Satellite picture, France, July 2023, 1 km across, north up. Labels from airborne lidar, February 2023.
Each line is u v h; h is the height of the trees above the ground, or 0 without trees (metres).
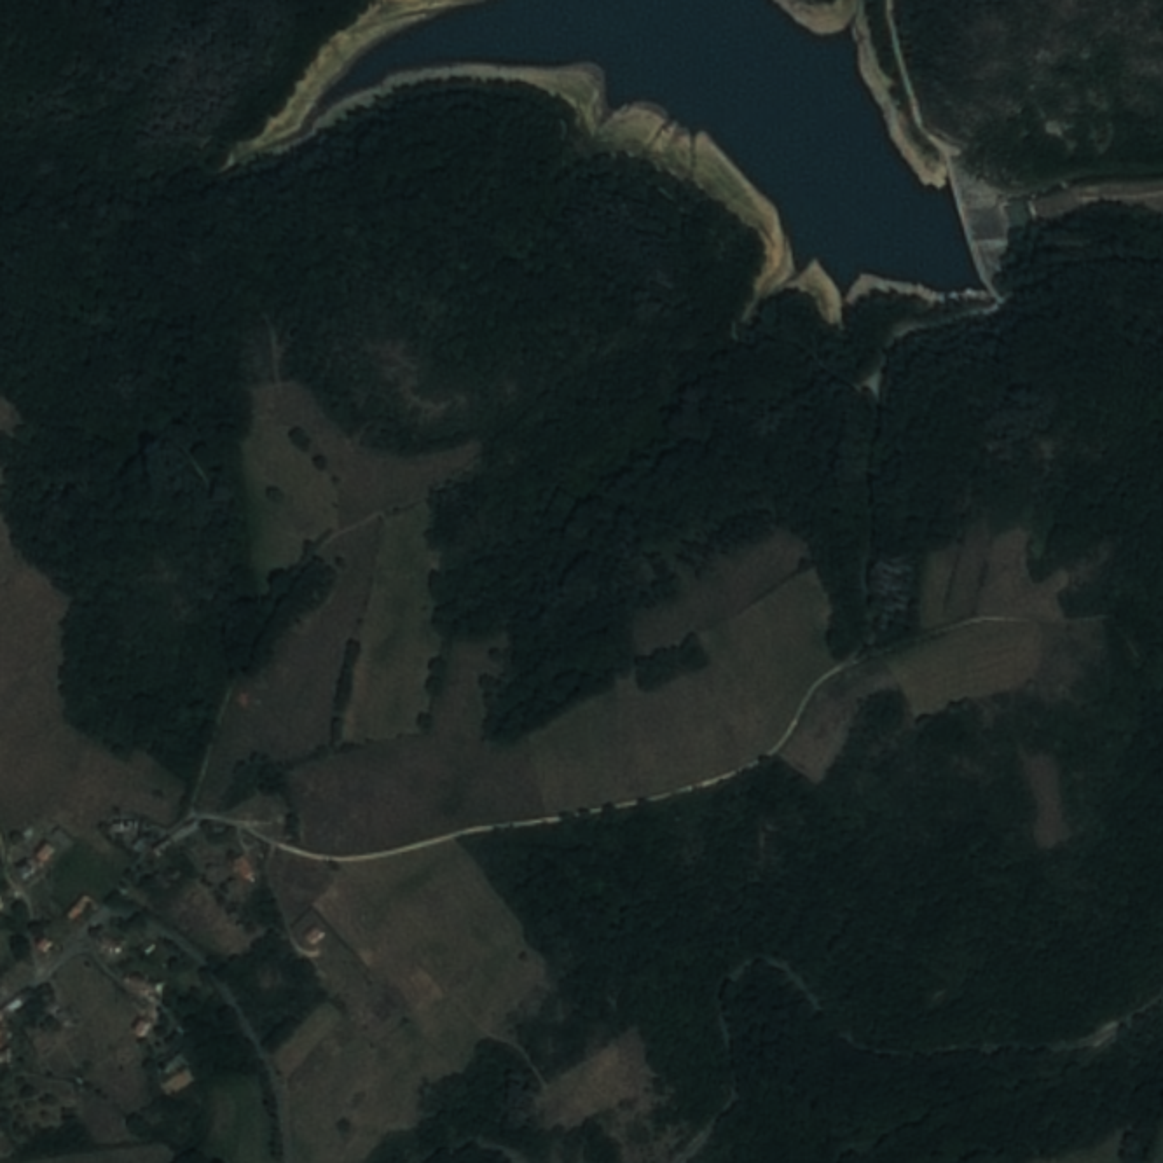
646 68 0
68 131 13
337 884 0
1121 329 17
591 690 15
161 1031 10
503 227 15
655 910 11
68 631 11
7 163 20
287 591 12
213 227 8
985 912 7
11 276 14
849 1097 16
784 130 0
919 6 7
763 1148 12
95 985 0
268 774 11
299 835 9
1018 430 13
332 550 0
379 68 0
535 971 0
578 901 18
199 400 26
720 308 11
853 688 0
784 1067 28
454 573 12
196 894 0
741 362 11
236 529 21
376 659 0
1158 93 7
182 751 10
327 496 0
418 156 18
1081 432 8
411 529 0
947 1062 15
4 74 11
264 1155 0
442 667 13
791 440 14
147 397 17
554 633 19
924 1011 8
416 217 20
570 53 0
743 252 8
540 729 12
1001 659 0
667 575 10
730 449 18
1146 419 20
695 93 0
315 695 0
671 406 7
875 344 14
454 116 14
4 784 0
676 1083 15
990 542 0
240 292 14
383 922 0
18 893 0
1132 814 9
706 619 0
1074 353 18
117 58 16
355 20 9
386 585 0
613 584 9
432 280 7
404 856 0
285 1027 12
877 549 11
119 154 15
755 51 0
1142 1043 11
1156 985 14
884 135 0
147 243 27
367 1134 0
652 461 20
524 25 0
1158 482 20
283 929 11
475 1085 11
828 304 0
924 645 0
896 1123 19
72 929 0
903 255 0
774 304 12
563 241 17
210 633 7
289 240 12
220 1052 11
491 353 10
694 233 18
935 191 0
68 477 23
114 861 0
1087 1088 9
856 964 11
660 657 11
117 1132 0
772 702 0
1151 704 10
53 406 7
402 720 0
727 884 17
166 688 7
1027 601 0
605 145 0
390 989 0
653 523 17
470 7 0
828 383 18
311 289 10
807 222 0
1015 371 17
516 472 7
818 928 14
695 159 0
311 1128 0
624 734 0
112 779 0
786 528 8
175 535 6
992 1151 9
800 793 9
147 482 14
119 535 11
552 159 16
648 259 15
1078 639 0
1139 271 18
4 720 0
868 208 0
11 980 0
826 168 0
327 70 0
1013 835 10
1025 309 12
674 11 0
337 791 0
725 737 0
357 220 19
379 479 0
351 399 8
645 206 14
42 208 20
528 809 0
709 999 10
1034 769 0
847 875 12
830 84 0
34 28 20
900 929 10
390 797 0
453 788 0
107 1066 0
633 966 14
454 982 0
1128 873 13
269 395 0
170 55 19
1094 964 12
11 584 0
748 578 0
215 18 19
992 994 14
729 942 19
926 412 16
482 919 0
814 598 0
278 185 19
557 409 14
